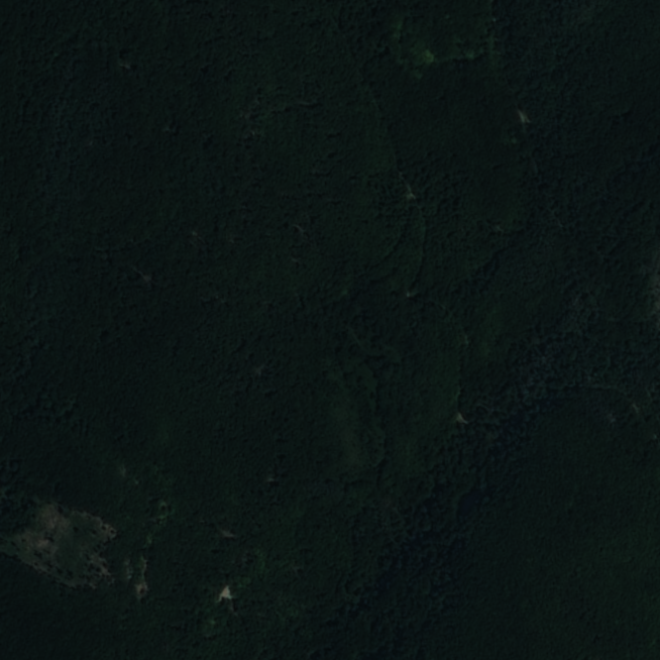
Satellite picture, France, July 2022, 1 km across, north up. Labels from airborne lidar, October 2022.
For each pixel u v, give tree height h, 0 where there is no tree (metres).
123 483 8
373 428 12
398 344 9
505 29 19
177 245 28
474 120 38
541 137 23
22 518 24
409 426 21
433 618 25
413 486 33
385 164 22
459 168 31
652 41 15
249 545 29
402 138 25
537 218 23
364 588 17
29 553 0
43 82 15
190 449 24
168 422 16
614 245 29
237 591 19
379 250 21
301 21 25
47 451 26
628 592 25
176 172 32
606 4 8
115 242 30
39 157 30
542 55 15
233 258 27
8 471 26
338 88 25
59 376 31
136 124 32
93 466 21
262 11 24
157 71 32
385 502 25
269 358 32
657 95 26
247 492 26
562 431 21
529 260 22
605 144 33
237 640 21
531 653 27
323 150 29
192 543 22
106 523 11
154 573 17
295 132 25
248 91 21
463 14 27
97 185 27
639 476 26
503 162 32
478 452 33
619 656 25
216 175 29
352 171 29
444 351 24
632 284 24
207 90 35
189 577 30
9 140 22
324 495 19
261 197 30
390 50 24
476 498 15
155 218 31
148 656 23
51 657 25
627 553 21
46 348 25
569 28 6
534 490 28
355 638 34
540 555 27
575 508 26
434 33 27
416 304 31
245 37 31
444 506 31
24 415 29
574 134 28
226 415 28
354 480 8
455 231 29
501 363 25
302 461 27
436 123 30
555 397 23
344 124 30
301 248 27
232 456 30
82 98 25
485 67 26
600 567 21
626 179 33
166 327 34
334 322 24
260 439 31
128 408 24
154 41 28
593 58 19
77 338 21
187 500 23
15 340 22
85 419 24
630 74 15
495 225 21
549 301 20
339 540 25
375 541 31
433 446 24
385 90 29
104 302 32
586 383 28
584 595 21
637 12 23
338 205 27
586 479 23
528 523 29
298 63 23
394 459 17
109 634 25
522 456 28
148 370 24
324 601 29
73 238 34
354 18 23
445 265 24
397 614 31
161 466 26
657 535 22
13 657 29
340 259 28
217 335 30
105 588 7
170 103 26
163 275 36
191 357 28
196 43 27
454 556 41
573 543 29
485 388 33
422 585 30
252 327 29
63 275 29
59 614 23
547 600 26
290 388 30
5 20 19
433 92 36
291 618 25
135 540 13
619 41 22
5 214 19
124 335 32
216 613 19
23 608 26
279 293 21
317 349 8
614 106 23
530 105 15
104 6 25
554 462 25
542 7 24
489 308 14
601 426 31
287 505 28
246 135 22
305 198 28
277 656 37
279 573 25
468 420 16
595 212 27
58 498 30
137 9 28
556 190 28
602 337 17
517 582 24
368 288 22
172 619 32
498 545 30
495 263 20
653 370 21
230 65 27
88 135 26
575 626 25
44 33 20
